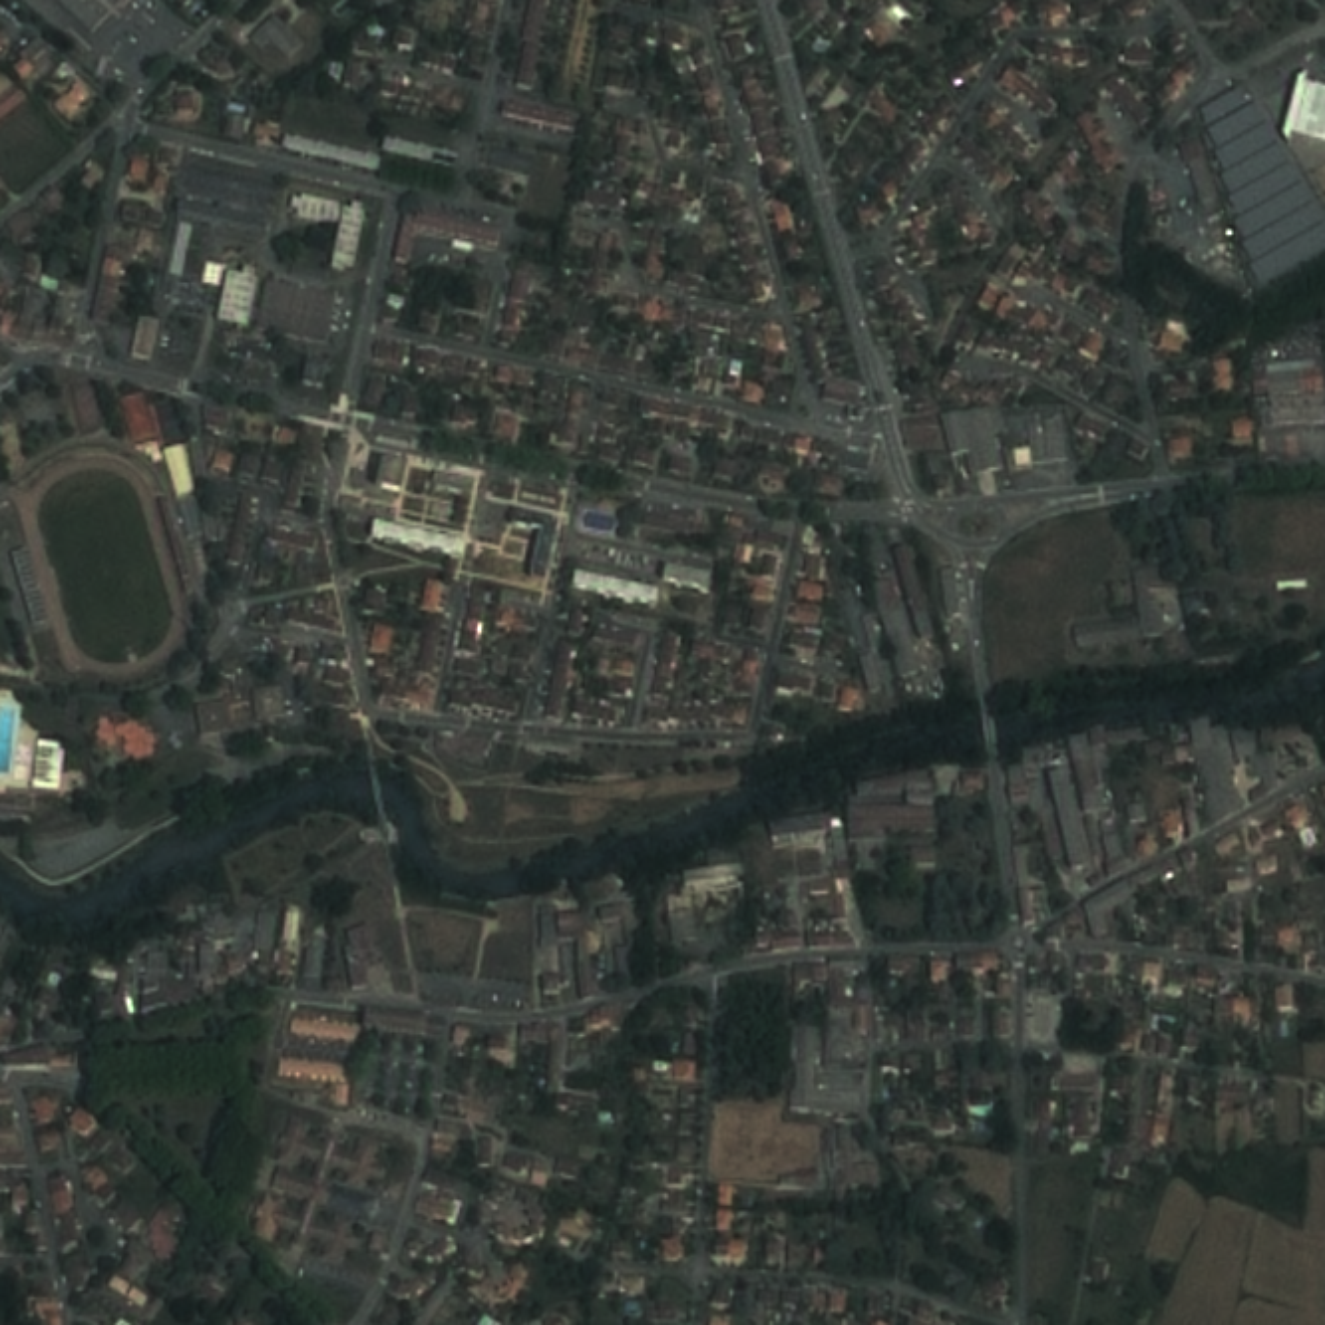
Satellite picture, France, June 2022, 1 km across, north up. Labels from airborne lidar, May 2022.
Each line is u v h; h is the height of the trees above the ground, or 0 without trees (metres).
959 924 17
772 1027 8
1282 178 0
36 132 0
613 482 23
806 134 0
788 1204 7
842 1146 0
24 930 14
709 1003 9
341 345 0
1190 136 11
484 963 0
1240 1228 0
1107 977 0
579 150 12
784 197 12
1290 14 7
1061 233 9
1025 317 0
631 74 7
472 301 13
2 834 12
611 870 20
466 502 10
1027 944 0
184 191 0
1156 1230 0
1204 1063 14
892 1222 6
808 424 0
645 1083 0
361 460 0
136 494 0
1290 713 18
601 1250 6
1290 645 10
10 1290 11
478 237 0
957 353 6
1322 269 15
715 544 11
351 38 8
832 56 6
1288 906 7
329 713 8
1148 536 12
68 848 0
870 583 12
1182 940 0
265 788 18
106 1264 13
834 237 0
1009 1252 8
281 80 8
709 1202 7
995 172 0
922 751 17
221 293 0
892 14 0
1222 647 10
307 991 0
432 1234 0
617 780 0
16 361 0
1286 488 14
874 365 0
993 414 0
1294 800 0
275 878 0
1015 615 0
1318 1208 0
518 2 7
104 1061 30
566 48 7
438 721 0
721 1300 0
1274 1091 9
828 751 15
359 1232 7
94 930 14
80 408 0
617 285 0
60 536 0
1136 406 6
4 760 0
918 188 0
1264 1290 0
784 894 7
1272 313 12
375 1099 8
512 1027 0
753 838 0
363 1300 0
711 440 6
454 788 0
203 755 0
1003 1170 0
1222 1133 0
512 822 0
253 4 11
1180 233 0
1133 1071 12
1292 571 0
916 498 0
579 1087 6
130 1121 24
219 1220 22
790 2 11
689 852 11
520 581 0
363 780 0
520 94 0
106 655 0
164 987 0
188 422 8
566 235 12
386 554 0
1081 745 0
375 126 9
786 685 0
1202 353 9
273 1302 11
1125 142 0
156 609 0
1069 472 0
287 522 0
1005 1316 0
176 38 0
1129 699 15
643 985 14
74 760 9
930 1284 14
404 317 7
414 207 13
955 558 0
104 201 12
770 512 19
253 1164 24
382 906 0
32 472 0
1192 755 0
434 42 8
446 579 14
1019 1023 0
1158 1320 0
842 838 0
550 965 0
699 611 0
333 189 0
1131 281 15
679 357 6
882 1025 0
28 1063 0
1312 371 0
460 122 12
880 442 0
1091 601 0
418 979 0
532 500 0
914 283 0
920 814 0
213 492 16
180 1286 11
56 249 6
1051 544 0
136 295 11
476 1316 6
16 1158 0
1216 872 0
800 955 0
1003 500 0
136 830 0
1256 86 0
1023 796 0
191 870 13
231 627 0
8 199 5
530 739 0
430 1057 11
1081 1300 0
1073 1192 0
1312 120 0
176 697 17
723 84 0
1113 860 0
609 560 0
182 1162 23
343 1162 0
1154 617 0
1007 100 0
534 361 0
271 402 16
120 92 14
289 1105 0
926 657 0
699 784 0
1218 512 19
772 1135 0
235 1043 23
